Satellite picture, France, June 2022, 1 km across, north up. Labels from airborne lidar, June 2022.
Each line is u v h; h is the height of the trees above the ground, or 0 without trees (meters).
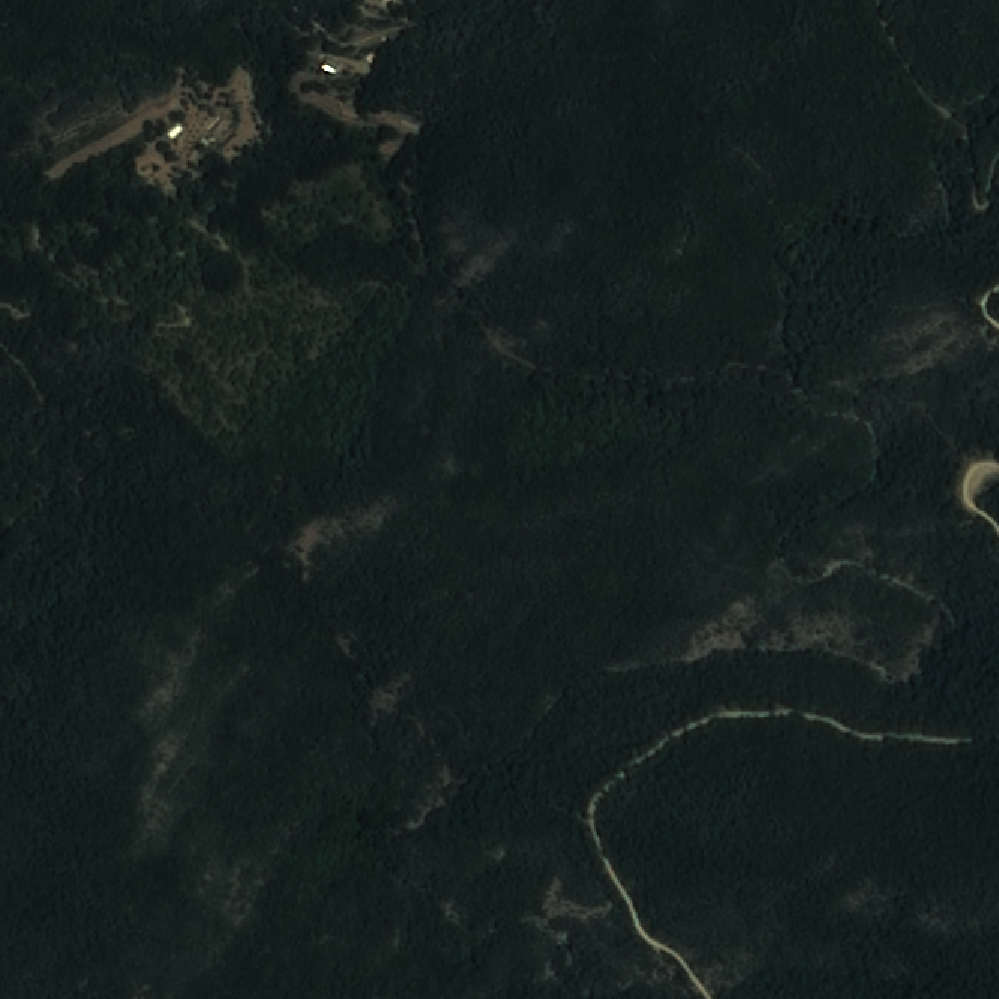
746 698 7
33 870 8
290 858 13
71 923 8
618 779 9
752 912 8
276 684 8
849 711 6
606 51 8
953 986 11
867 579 6
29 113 8
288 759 7
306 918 9
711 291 9
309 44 15
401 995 13
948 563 6
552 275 7
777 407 15
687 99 14
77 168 10
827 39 10
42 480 13
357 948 6
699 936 6
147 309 6
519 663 9
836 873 6
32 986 9
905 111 14
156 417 13
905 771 8
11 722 8
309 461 7
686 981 7
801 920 10
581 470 11
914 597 12
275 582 8
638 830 7
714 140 8
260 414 9
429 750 9
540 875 10
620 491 9
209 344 6
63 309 12
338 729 8
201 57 9
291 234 7
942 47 9
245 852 5
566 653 9
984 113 7
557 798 8
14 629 19
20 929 7
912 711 11
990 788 10
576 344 13
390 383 9
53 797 11
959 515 7
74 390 10
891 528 8
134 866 6
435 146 17
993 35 9
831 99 6
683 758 7
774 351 8
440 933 9
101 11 9
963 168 8
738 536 8
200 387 6
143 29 17
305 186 6
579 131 9
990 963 12
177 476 7
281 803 11
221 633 11
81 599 8
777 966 8
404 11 12
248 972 9
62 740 8
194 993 6
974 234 17
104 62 9
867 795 6
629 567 10
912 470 8
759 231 9
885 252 10
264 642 12
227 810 9
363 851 9
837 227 13
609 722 8
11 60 7
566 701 6
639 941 7
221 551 7
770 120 6
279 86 14
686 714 11
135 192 15
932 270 7
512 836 7
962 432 8
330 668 12
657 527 9
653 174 7
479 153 10
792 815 7
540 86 7
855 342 7
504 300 7
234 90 8
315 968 7
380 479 8
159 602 8
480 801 14
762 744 8
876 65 7
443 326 6
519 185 8
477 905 10
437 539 11
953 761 7
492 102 11
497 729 13
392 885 7
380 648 19
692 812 13
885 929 11
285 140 15
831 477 7
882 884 5
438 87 9
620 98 9
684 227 10
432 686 8
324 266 12
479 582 11
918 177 9
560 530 6
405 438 6
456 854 7
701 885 9
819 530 10
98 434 13
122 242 13
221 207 12
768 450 6
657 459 8
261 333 6
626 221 10
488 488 8
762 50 8
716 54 7
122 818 7
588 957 6
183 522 9
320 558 7
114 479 9
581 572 11
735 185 7
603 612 10
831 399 7
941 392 6
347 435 9
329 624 16
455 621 9
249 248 9
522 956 8
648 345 11
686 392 17
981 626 9
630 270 8
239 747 8
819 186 7
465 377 6
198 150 10
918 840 8
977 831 11
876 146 6
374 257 14
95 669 8
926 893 9
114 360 12
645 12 8
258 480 14
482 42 7
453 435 6
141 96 11
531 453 13
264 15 10
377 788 12
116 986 8
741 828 12
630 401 11
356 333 10
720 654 13
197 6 10
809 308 7
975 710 7
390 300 10
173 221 10
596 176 6
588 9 9
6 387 17
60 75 9
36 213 9
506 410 11
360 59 8
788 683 7
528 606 7
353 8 11
